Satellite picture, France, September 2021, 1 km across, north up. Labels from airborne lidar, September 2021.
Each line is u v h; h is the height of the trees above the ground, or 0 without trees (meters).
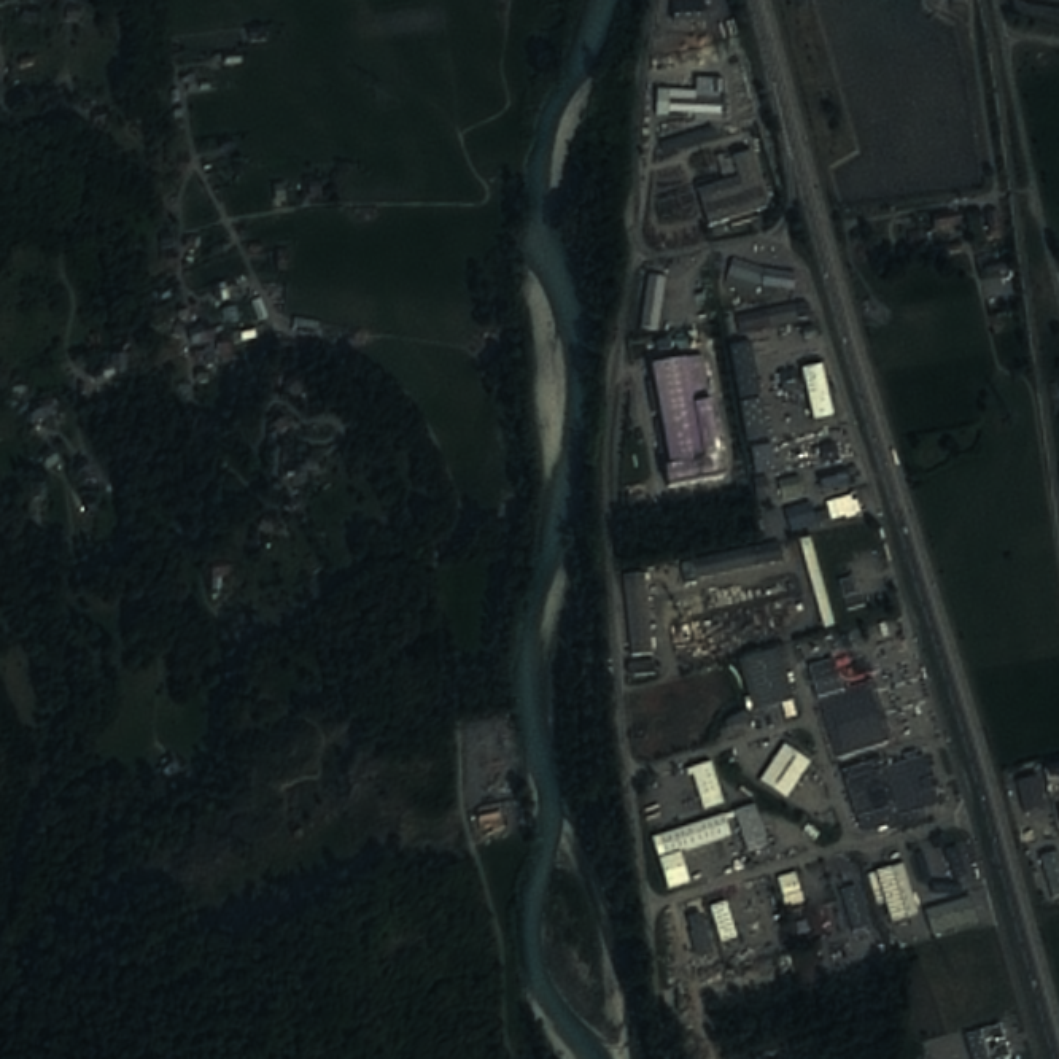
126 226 17
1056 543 0
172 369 12
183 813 22
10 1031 31
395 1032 14
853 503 0
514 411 28
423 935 12
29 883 22
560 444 0
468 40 0
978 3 0
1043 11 0
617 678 0
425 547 27
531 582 17
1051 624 0
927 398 0
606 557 0
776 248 0
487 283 19
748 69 0
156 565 29
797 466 0
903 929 0
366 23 0
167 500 21
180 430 22
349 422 9
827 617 0
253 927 20
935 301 0
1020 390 0
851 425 0
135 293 31
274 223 0
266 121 0
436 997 23
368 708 16
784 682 0
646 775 8
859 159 0
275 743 0
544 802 0
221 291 0
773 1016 7
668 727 0
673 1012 14
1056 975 0
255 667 17
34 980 22
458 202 0
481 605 0
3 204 21
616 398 0
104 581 19
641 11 18
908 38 0
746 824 0
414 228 0
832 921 0
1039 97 0
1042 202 0
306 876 0
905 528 0
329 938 19
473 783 0
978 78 0
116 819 24
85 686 21
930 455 0
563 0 7
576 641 24
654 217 0
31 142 18
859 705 0
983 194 0
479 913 15
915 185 0
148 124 11
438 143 0
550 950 0
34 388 5
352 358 19
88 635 16
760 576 0
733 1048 7
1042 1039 0
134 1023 25
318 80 0
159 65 18
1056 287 0
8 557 31
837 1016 15
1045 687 0
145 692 0
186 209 0
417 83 0
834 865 0
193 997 21
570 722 17
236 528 26
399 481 12
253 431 14
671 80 0
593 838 29
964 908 0
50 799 20
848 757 0
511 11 0
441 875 25
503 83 0
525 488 17
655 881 0
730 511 17
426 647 14
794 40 0
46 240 25
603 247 20
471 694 24
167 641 17
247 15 0
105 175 26
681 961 0
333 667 13
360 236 0
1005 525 0
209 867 0
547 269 0
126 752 0
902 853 0
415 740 27
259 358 16
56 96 16
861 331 0
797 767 0
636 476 0
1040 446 0
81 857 23
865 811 0
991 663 0
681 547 15
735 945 0
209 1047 14
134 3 25
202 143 6
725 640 0
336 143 0
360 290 0
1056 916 0
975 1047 0
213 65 0
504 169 0
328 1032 21
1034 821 0
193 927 21
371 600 28
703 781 0
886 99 0
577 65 0
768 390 0
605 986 0
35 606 26
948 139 0
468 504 0
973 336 0
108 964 25
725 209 0
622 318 0
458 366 0
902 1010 15
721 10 0
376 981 18
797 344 0
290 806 0
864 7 0
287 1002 17
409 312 0
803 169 0
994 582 0
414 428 16
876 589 0
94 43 0
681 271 0
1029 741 0
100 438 23
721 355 7
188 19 0
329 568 11
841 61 0
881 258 15
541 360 0
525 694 0
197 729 0
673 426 0
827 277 0
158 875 0
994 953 0
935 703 0
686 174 0
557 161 0
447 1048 25
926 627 0
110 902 20
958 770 0
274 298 0
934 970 0
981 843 0
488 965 14
